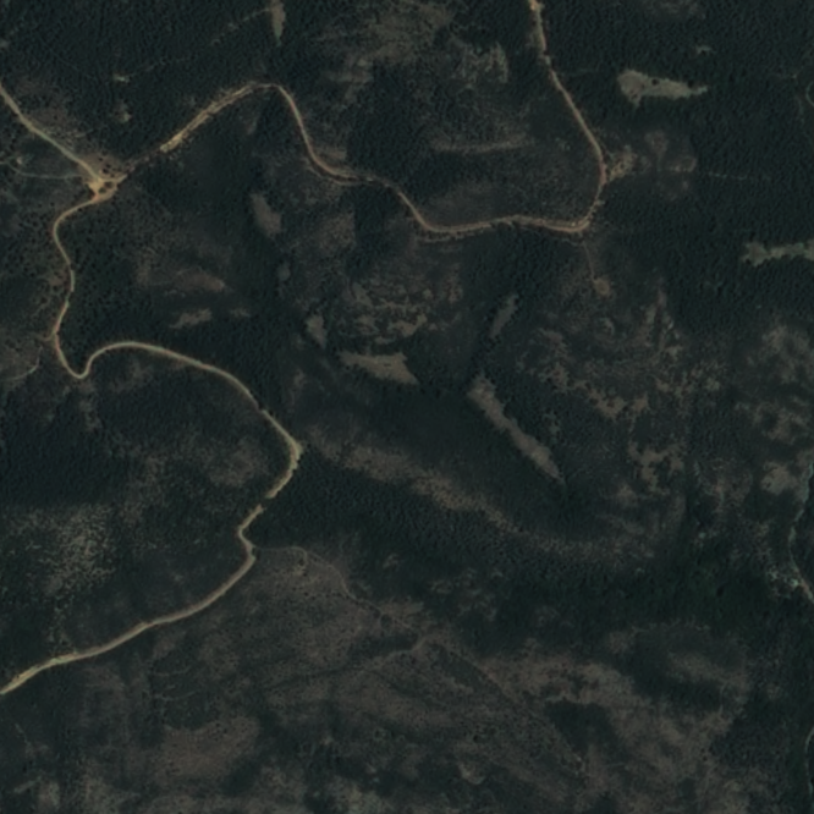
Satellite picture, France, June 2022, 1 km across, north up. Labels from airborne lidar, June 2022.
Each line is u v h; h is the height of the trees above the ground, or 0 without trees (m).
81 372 7
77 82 11
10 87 9
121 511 8
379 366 0
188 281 0
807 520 7
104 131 7
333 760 7
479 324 7
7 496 11
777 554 7
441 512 8
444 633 0
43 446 13
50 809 0
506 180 13
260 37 13
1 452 9
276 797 0
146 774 0
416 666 6
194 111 11
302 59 11
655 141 0
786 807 7
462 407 6
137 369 0
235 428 9
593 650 6
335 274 9
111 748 0
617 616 9
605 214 11
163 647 0
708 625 6
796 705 6
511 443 7
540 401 10
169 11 13
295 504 13
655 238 12
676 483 7
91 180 0
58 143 0
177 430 9
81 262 11
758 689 9
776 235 13
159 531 11
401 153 13
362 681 0
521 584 10
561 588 14
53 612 5
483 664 0
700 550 11
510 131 0
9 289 7
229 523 8
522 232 7
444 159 12
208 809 0
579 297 7
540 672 0
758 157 14
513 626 8
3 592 6
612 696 0
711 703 9
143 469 7
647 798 0
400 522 13
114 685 0
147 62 11
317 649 0
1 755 0
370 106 10
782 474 0
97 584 7
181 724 7
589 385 7
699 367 7
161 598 0
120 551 9
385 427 8
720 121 15
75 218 8
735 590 12
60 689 7
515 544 11
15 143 13
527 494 9
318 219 11
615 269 6
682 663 0
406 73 9
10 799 5
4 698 7
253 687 6
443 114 11
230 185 7
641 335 0
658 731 0
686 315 13
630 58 12
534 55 9
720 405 12
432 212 0
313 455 8
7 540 7
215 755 0
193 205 12
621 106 9
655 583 18
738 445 10
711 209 12
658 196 8
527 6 15
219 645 0
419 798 0
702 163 14
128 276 6
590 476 7
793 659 8
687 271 14
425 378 16
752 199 11
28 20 12
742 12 12
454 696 6
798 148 12
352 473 10
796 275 12
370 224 12
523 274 6
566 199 9
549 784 0
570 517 12
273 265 8
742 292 6
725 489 0
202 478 10
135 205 10
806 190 14
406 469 0
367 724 0
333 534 7
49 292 7
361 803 0
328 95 8
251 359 12
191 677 6
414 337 8
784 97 13
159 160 12
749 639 6
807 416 0
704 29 15
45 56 11
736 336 6
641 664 6
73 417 11
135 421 13
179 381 9
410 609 0
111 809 0
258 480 6
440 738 7
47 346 8
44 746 0
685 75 6
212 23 11
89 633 0
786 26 13
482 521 7
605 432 9
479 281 7
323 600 0
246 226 8
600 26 16
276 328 12
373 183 11
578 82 10
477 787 6
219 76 12
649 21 14
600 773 0
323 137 6
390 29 0
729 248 10
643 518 7
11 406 10
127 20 13
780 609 9
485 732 7
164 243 8
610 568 9
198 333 10
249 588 0
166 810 0
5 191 7
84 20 9
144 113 11
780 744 11
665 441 8
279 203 13
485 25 14
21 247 13
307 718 0
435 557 8
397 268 0
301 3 11
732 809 0
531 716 6
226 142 6
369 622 0
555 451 6
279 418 12
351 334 7
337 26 10
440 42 9
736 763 11
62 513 6
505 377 8
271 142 10
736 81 23
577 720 6
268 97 7
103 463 12
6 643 8
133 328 10
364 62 0
